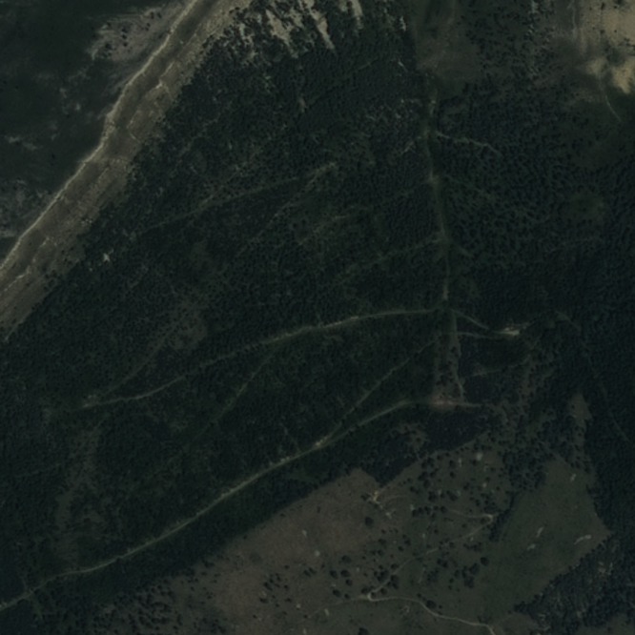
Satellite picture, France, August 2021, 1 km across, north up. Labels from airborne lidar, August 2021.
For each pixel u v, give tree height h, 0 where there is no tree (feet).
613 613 38
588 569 29
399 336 22
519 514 0
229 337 39
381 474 40
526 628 0
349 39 42
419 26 0
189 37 0
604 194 40
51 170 0
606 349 29
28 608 36
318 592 0
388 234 25
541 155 72
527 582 0
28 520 31
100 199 0
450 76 0
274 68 30
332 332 24
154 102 0
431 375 18
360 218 21
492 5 19
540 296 31
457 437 29
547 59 26
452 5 0
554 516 0
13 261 0
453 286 29
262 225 18
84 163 0
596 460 28
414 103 19
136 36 0
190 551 35
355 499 0
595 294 20
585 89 0
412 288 28
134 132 0
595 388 39
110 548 26
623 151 34
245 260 34
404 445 36
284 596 0
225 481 22
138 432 20
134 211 24
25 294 0
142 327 34
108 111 0
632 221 43
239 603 0
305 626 0
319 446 0
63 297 35
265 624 0
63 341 30
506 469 25
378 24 35
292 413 25
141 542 19
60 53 0
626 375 29
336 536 0
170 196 32
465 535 0
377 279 32
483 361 36
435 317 29
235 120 22
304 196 19
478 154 31
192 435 22
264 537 0
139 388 21
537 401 22
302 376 28
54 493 20
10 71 0
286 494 51
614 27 0
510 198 65
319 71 51
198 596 0
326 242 25
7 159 0
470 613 0
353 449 23
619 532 40
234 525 34
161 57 0
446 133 31
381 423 23
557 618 42
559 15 0
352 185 26
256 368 20
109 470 21
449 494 19
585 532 0
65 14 0
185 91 24
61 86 0
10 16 0
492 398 23
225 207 22
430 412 31
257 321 39
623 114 0
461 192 30
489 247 34
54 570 21
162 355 22
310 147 42
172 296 36
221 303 25
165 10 0
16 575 32
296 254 25
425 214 50
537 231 42
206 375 40
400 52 29
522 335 31
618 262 42
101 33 0
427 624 0
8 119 0
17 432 35
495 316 31
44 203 0
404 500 0
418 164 34
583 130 47
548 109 26
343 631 0
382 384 24
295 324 24
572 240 58
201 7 0
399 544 0
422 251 22
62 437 23
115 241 21
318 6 32
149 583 46
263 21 26
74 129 0
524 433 28
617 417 26
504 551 0
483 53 17
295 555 0
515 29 0
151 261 18
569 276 26
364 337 19
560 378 25
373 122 35
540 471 31
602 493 43
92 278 41
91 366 19
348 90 43
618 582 27
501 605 0
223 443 19
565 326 50
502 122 37
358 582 0
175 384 24
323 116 53
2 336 26
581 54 0
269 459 22
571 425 44
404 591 0
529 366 27
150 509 29
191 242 23
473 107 28
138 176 22
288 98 56
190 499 41
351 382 42
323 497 0
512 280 28
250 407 27
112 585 20
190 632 0
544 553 0
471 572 36
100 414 24
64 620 23
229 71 30
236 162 33
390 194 57
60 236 0
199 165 27
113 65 0
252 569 0
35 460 32
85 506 36
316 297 32
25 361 29
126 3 0
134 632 43
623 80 0
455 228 26
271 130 19
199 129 29
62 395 28
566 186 71
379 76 41
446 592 0
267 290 28
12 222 0
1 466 29
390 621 0
